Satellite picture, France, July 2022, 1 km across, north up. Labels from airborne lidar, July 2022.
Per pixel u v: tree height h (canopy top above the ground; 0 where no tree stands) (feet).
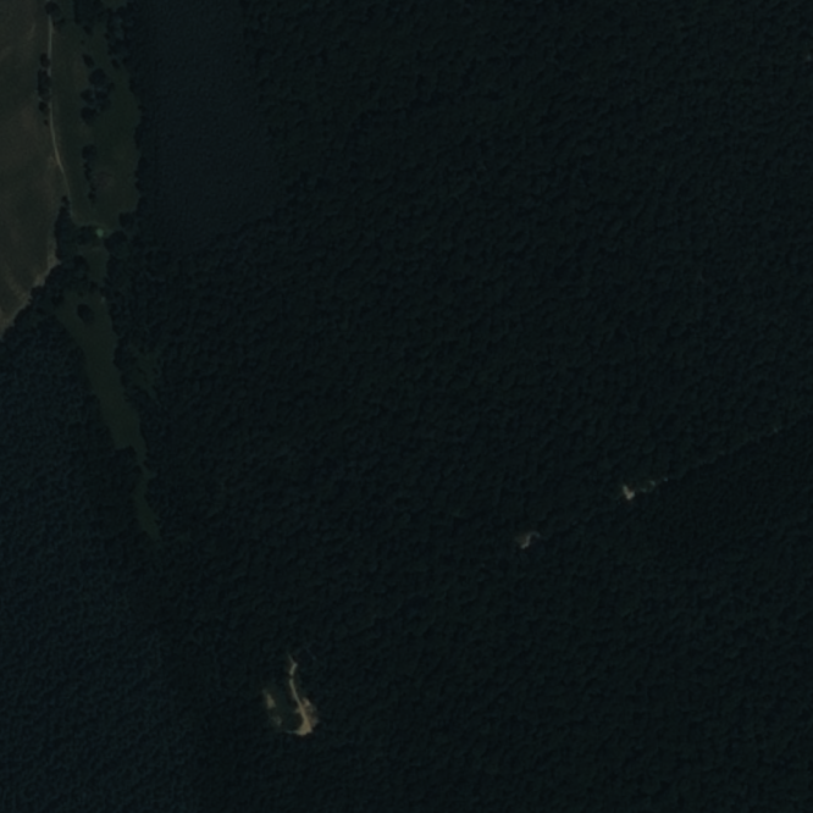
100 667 93
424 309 83
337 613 75
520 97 83
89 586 94
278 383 74
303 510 62
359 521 54
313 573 71
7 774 84
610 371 80
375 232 67
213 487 79
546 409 58
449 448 81
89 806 92
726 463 66
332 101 69
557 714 72
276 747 70
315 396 80
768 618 69
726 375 49
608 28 70
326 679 79
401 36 76
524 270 73
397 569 84
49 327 64
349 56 77
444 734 67
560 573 82
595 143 78
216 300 76
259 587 67
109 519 66
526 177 66
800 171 61
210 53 64
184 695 60
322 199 81
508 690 71
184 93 52
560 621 74
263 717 50
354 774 42
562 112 62
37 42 0
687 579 34
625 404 69
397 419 72
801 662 51
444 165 51
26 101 0
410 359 74
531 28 82
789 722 89
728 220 66
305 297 78
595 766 71
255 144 58
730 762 45
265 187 59
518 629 78
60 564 94
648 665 74
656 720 82
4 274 0
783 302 50
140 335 31
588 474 61
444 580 89
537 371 58
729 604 82
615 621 78
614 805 59
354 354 80
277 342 80
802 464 50
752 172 50
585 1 82
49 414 79
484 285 77
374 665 69
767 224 62
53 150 0
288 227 44
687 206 63
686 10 79
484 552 80
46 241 0
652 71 57
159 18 59
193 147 49
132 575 56
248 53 52
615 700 85
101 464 45
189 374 51
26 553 78
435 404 73
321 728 37
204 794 63
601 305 55
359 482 51
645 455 85
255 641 49
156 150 58
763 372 73
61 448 86
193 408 71
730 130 70
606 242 62
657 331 67
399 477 65
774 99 47
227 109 55
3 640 75
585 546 72
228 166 49
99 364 0
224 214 58
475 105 83
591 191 48
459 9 93
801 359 52
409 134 81
